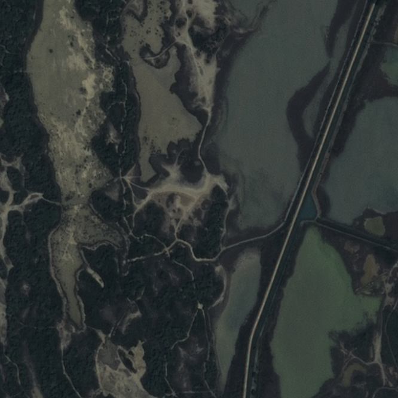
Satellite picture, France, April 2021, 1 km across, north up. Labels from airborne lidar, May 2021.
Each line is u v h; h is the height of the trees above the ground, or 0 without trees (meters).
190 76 0
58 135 0
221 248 0
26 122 7
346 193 0
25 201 0
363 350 0
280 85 0
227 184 0
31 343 6
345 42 0
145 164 0
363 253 0
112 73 0
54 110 0
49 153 0
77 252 0
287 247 0
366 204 0
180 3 0
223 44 0
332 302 0
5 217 0
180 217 0
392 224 0
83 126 0
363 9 0
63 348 0
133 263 6
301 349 0
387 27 0
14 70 8
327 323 0
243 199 0
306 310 0
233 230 0
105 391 0
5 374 0
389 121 0
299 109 0
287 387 0
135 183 0
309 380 0
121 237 0
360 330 0
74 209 0
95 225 0
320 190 0
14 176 6
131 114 6
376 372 0
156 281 0
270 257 0
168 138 0
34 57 0
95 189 0
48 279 6
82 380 8
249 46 0
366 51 0
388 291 0
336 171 0
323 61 0
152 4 0
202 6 0
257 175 0
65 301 0
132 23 0
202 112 0
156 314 0
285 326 0
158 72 0
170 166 0
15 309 6
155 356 8
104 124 0
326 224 0
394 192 0
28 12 7
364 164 0
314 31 0
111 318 0
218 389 0
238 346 0
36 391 0
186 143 0
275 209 0
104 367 0
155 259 0
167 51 0
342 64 0
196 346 0
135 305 0
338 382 0
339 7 0
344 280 0
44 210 7
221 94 0
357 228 0
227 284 0
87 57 0
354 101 0
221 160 0
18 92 6
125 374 0
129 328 0
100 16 6
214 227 5
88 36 0
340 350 0
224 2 0
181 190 0
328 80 0
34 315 0
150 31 0
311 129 0
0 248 0
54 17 0
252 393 7
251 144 0
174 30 0
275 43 0
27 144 5
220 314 0
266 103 0
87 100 0
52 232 0
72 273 0
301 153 0
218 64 0
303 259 0
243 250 0
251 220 0
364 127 0
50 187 7
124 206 6
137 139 0
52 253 0
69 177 0
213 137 0
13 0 7
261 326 0
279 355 0
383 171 0
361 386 0
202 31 0
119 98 6
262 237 0
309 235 0
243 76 0
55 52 0
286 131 0
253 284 0
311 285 0
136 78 0
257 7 0
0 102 0
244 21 0
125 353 0
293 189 0
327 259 0
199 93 0
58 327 0
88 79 0
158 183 0
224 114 0
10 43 7
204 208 0
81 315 0
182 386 0
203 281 6
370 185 0
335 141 0
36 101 0
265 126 0
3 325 0
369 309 0
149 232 9
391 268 0
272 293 0
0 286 0
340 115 0
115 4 5
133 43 0
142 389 0
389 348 0
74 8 0
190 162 0
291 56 0
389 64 0
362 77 0
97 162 0
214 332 0
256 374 7
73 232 0
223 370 0
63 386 7
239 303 0
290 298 0
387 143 0
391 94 0
